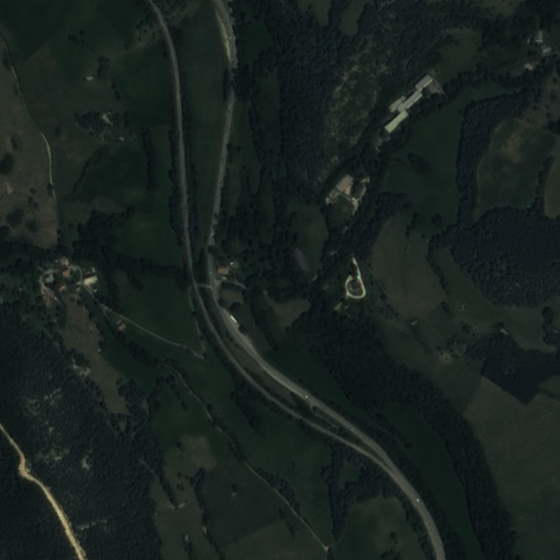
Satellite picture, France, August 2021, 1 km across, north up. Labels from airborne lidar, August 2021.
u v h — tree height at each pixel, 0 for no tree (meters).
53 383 12
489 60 0
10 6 0
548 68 17
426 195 0
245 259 11
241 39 12
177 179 16
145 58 0
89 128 7
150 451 14
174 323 0
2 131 0
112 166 0
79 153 0
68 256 20
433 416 15
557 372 19
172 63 0
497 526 19
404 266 0
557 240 18
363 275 0
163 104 0
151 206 0
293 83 15
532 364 19
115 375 0
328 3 0
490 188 0
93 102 0
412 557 0
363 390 26
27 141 0
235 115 0
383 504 0
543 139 0
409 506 8
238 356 0
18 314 9
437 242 14
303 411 14
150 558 11
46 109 0
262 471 10
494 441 0
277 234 6
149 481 16
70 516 7
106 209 0
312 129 6
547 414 0
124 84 0
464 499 0
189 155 10
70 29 0
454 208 0
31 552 12
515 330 0
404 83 9
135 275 16
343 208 0
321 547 0
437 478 0
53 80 0
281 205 14
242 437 0
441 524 11
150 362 19
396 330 0
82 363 7
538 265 17
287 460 0
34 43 0
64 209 0
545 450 0
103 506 7
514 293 8
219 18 0
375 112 9
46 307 11
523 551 0
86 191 0
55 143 0
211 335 12
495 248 13
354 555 0
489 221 15
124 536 14
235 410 0
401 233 0
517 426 0
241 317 0
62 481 7
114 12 0
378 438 11
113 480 10
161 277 15
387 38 7
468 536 0
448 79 0
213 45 0
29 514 16
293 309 0
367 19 11
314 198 11
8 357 14
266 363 0
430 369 0
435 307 0
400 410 0
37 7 0
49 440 7
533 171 0
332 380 0
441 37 8
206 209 0
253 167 0
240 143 0
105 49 0
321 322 16
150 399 9
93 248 9
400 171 0
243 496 0
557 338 9
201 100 0
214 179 0
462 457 19
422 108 12
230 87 15
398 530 0
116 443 14
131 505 14
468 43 0
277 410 17
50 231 0
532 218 17
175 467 0
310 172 12
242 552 0
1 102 0
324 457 0
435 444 0
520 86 15
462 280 0
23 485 20
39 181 0
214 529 0
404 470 15
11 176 0
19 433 14
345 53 10
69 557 9
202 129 0
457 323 0
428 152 0
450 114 0
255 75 9
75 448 12
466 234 19
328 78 10
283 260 15
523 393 22
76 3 0
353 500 14
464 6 11
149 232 0
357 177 11
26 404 9
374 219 7
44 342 12
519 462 0
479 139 18
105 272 6
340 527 13
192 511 0
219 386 0
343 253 13
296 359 0
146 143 11
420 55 6
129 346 10
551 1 20
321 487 0
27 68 0
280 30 11
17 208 0
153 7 12
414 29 12
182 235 15
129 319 0
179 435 0
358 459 13
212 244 0
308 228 0
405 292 0
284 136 17
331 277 13
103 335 12
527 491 0
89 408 16
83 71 0
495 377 17
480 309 0
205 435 0
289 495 14
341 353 17
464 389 0
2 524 17
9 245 14
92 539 11
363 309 9
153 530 16
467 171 12
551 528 0
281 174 10
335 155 6
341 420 0
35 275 14
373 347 19
